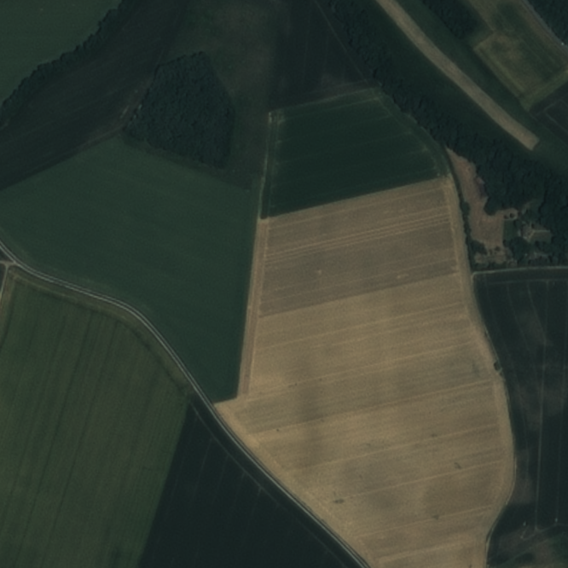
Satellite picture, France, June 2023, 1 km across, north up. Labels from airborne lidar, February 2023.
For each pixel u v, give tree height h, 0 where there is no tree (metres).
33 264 0
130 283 0
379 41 22
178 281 0
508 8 0
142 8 0
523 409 0
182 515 0
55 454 0
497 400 0
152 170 0
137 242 0
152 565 0
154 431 0
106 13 0
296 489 0
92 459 0
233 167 0
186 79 15
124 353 0
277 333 0
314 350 0
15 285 0
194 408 0
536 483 0
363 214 0
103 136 0
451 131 18
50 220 0
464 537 0
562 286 0
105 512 0
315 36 0
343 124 0
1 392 0
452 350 0
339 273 0
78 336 0
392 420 0
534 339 0
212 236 0
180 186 0
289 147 0
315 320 0
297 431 0
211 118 20
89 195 0
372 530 0
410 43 0
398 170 0
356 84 0
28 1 0
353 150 0
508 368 0
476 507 0
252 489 0
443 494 0
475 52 0
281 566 0
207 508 0
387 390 0
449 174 0
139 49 0
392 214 0
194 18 0
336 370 0
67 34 0
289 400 0
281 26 0
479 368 0
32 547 0
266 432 0
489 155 18
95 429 0
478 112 0
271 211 0
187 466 0
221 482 0
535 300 0
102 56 0
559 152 0
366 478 0
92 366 0
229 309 0
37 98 0
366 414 0
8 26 0
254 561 0
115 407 0
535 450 0
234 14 0
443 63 0
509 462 0
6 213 0
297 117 0
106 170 0
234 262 0
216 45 0
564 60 0
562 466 0
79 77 0
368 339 0
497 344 0
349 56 0
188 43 0
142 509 0
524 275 0
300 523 0
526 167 23
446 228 0
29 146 0
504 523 0
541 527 0
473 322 0
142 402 0
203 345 0
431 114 26
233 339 0
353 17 19
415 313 0
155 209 0
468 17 11
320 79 0
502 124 0
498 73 0
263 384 0
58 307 0
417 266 0
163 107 10
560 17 17
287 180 0
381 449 0
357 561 0
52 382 0
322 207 0
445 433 0
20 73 0
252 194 0
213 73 16
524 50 0
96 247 0
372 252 0
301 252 0
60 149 0
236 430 0
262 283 0
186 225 0
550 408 0
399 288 0
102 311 0
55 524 0
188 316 0
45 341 0
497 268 8
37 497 0
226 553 0
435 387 0
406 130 0
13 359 0
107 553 0
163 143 19
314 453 0
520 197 21
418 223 0
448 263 0
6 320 0
